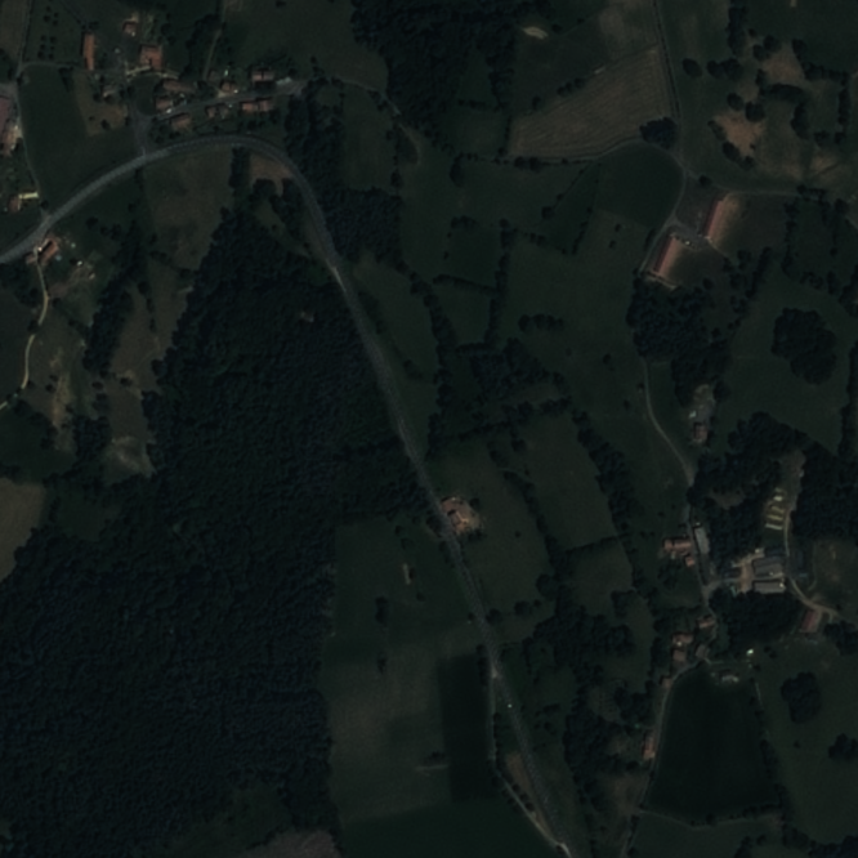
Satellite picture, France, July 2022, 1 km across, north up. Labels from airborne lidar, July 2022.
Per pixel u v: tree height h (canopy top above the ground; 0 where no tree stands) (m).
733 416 0
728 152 21
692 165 0
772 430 17
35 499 0
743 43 16
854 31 0
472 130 0
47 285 7
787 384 0
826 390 0
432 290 13
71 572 24
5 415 0
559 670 7
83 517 0
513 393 26
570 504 0
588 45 0
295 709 29
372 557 0
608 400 0
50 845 23
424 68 31
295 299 23
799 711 22
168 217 0
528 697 0
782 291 0
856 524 21
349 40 0
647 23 0
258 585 31
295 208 6
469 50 20
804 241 0
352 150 0
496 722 10
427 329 0
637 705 22
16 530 0
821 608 0
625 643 11
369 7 33
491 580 0
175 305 0
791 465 0
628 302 0
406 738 0
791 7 0
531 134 0
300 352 20
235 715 31
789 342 17
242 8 0
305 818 22
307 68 0
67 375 0
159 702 24
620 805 0
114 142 0
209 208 0
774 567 0
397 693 0
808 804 0
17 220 0
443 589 0
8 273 12
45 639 27
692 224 0
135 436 0
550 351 0
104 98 6
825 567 0
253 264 20
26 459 0
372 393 6
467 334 0
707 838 0
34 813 22
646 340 17
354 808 0
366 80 0
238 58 0
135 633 28
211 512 24
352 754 0
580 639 18
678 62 0
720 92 0
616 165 0
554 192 0
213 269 24
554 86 0
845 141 16
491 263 0
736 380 0
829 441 0
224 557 26
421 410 0
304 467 22
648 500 0
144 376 0
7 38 0
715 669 0
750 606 18
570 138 0
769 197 0
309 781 29
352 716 0
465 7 6
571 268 0
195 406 6
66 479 16
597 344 0
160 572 8
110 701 29
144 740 18
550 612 0
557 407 22
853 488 19
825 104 0
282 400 16
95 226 18
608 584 0
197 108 0
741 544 21
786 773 0
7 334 0
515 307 0
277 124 15
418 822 0
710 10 0
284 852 0
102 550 7
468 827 0
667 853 0
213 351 29
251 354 10
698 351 22
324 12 0
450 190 0
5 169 0
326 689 0
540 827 0
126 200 0
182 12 0
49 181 0
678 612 6
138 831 23
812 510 21
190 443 21
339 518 19
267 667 27
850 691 0
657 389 0
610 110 0
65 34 0
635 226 0
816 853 13
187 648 31
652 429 0
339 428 23
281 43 0
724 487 14
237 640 25
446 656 0
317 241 0
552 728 10
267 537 31
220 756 26
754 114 15
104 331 18
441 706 0
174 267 5
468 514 0
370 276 0
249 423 21
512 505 0
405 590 0
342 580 0
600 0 0
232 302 28
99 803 19
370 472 26
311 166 16
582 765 20
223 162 0
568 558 11
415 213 0
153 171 0
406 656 0
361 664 0
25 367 0
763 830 0
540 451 0
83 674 24
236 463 19
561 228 0
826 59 0
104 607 28
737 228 0
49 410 0
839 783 0
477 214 0
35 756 29
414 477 23
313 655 20
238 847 0
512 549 0
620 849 0
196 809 24
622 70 0
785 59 0
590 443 26
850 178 0
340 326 18
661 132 27
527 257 0
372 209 24
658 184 0
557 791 0
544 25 0
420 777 0
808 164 0
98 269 0
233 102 0
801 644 0
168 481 26
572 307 0
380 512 13
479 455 0
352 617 0
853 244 0
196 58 8
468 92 0
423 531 0
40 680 26
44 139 0
